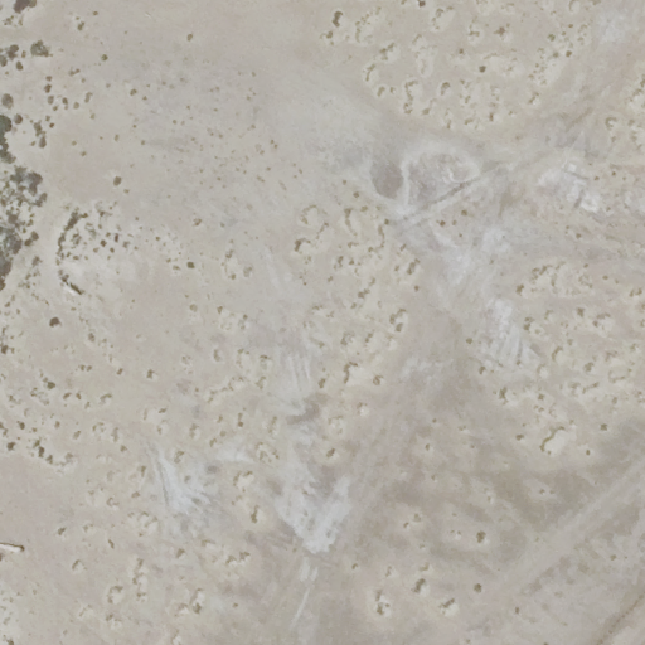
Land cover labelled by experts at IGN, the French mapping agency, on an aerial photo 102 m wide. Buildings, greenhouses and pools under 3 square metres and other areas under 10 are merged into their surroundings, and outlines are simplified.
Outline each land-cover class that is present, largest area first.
<instances>
[{"label":"bare soil","instance_id":"1","mask_svg":"<svg viewBox=\"0 0 645 645\"><path fill-rule=\"evenodd\" d=\"M33 43H43L48 48V55L43 58H23V71H15V66L10 63L0 66V116H23V123L8 131V149L25 171L40 174V186L48 194V202L35 212L38 242L33 247L20 249L13 257V267L5 277V290H0V645H645V0H0V50L10 45L33 48Z\"/></svg>","mask_w":645,"mask_h":645},{"label":"herbaceous vegetation","instance_id":"2","mask_svg":"<svg viewBox=\"0 0 645 645\"><path fill-rule=\"evenodd\" d=\"M43 58L48 55V48L43 43H33V48L10 45L0 50V66L10 63L15 66V71H23V58ZM23 123V116H0V290H5V277L13 267V257L20 249L33 247L38 242L35 212L48 202V194L40 186V174L25 171L8 149V131Z\"/></svg>","mask_w":645,"mask_h":645}]
</instances>
